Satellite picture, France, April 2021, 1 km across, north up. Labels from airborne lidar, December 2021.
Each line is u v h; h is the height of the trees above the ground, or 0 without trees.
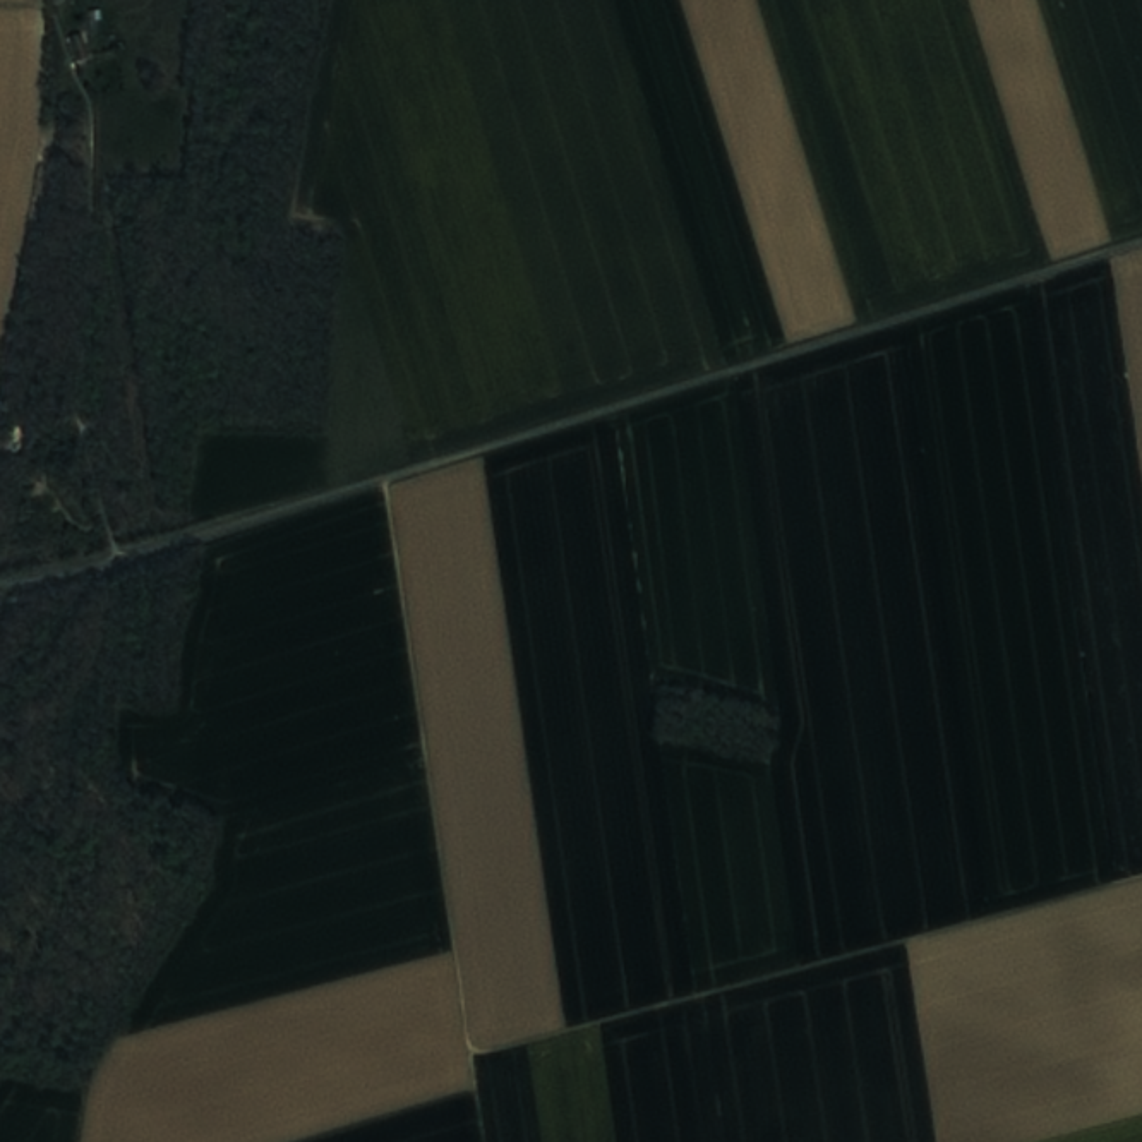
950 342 0
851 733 0
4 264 0
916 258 0
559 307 0
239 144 17
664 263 0
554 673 0
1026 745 0
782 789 0
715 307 0
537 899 0
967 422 0
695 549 0
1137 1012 0
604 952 0
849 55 0
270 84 22
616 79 0
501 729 0
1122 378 0
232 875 0
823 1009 0
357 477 0
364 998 0
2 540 10
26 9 0
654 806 0
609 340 0
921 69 0
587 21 0
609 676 0
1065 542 0
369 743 0
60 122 16
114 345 19
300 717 0
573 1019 0
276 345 24
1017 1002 0
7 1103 0
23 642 16
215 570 0
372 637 0
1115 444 0
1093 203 0
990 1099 0
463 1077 0
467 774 0
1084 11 0
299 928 0
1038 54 0
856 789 0
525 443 0
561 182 0
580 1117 0
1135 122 0
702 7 0
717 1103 0
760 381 0
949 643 0
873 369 0
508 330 0
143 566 16
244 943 0
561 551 0
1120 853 0
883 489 0
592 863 0
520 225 0
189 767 0
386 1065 0
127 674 22
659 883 0
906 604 0
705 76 0
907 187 0
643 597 0
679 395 0
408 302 0
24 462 14
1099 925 0
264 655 0
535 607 0
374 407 0
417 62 0
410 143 0
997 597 0
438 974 0
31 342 12
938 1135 0
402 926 0
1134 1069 0
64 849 19
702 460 0
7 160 0
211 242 18
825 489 0
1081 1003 0
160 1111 0
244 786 0
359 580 0
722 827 0
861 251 0
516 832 0
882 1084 0
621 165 0
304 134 15
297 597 0
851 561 0
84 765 19
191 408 14
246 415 21
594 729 0
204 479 0
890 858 0
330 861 0
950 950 0
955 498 0
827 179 0
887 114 0
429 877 0
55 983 17
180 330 17
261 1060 0
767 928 0
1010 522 0
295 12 20
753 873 0
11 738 21
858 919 0
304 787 0
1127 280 0
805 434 0
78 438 8
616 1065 0
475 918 0
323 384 17
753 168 0
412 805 0
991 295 0
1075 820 0
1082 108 0
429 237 0
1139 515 0
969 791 0
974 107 0
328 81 0
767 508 0
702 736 15
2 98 0
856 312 0
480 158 0
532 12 0
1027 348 0
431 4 0
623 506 0
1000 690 0
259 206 21
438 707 0
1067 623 0
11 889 20
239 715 0
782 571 0
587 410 0
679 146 0
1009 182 0
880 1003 0
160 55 0
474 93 0
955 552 0
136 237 16
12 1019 15
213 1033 0
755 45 0
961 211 0
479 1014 0
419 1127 0
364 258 0
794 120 0
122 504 15
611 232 0
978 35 0
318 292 22
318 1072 0
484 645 0
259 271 26
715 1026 0
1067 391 0
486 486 0
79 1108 0
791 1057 0
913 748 0
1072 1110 0
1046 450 0
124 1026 19
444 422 0
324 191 0
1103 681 0
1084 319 0
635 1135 0
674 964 0
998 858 0
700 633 0
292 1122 0
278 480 0
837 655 0
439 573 0
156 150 0
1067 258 0
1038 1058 0
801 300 0
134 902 24
